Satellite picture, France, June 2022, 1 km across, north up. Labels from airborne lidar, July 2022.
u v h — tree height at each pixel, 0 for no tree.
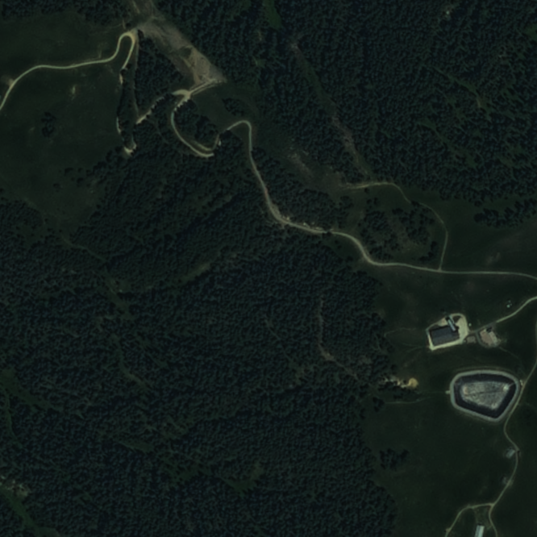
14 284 22
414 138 30
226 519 25
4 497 7
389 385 19
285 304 22
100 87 0
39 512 9
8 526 24
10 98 0
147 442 18
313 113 23
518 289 0
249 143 0
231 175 14
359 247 0
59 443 9
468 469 0
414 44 30
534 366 0
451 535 0
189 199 21
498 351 0
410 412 0
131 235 8
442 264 0
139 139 17
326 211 17
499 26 25
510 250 0
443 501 0
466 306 0
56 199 0
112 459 30
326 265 20
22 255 23
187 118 25
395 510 21
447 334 0
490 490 0
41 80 0
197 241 29
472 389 0
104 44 0
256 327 16
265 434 23
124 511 22
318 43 27
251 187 16
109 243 21
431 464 0
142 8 0
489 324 0
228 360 19
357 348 15
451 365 0
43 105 0
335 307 14
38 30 0
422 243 14
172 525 25
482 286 0
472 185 18
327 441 15
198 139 19
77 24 0
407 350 0
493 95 28
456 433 0
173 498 29
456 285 0
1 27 0
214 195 17
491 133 25
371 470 16
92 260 16
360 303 13
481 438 0
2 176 0
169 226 24
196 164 16
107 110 0
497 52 26
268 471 22
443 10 25
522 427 0
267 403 28
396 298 0
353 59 26
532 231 0
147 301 28
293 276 20
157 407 27
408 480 0
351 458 20
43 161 0
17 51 0
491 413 0
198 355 32
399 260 0
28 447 8
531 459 0
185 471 22
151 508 22
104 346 10
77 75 0
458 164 22
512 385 0
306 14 26
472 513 0
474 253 0
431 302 0
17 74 0
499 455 0
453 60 29
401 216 16
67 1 25
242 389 20
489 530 0
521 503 0
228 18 20
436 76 30
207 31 21
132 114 0
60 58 0
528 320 0
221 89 0
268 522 18
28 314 17
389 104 24
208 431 18
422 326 0
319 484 29
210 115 0
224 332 18
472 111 33
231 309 22
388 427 0
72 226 0
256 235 18
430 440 0
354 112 21
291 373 21
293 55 28
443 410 0
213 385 29
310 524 24
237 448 23
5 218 22
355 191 0
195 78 0
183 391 9
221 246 23
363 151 25
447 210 0
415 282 0
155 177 22
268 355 16
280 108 12
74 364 17
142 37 22
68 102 0
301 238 11
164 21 0
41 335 29
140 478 27
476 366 0
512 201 0
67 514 23
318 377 22
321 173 0
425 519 0
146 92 20
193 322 18
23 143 0
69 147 0
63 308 31
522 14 25
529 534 0
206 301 17
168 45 0
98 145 0
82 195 0
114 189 11
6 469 15
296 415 23
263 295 24
